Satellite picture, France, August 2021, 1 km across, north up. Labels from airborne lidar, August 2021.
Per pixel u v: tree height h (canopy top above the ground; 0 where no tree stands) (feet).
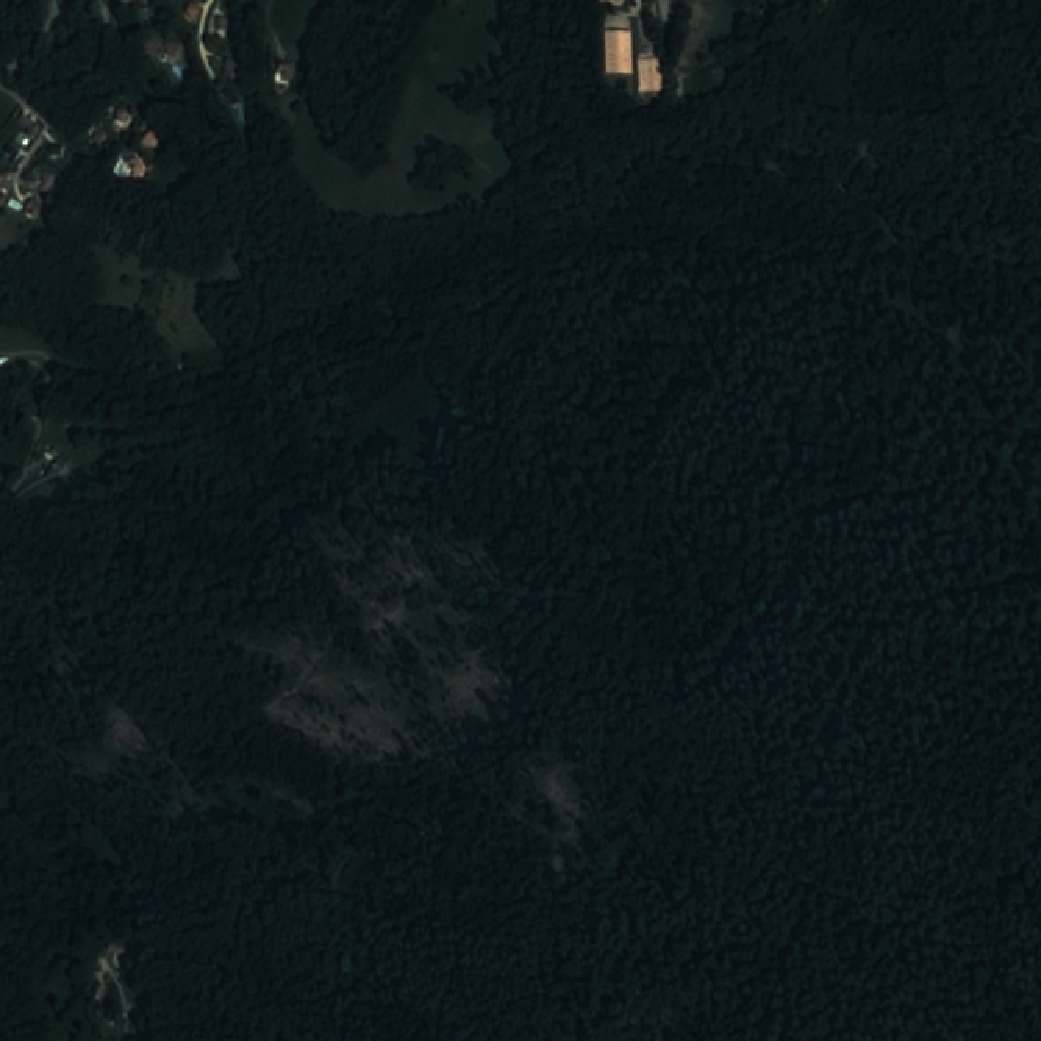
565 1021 99
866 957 107
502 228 99
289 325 46
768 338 73
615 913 63
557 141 88
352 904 94
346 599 66
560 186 94
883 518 31
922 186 52
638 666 99
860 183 73
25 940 89
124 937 26
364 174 0
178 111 68
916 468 66
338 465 96
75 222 77
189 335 0
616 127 68
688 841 108
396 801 64
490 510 92
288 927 92
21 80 62
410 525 101
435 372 70
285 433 93
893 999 111
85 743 89
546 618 101
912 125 44
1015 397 65
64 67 62
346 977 62
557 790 0
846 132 58
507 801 73
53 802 50
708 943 41
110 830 50
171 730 84
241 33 60
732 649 33
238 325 47
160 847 92
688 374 28
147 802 82
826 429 112
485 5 0
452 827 99
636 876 25
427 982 101
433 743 44
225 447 67
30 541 72
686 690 105
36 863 99
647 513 33
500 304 69
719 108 23
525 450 88
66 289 70
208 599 85
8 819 80
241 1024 91
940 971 102
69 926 65
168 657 78
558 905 38
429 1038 29
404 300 84
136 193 82
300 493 95
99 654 73
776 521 66
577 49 98
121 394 59
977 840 78
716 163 69
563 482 89
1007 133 96
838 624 52
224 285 37
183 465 87
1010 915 78
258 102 22
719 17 0
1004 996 49
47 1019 48
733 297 44
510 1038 93
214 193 66
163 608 76
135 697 89
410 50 37
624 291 70
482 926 99
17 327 39
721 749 113
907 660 52
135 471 74
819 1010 101
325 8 57
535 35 78
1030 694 69
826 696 112
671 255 107
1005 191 99
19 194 0
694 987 91
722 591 110
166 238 80
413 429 0
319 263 78
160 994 88
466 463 109
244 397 62
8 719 78
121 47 64
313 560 96
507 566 113
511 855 75
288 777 81
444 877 123
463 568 74
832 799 79
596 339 97
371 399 66
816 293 61
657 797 107
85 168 70
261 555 108
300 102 26
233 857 63
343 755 23
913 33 58
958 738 41
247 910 89
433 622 0
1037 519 23
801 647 111
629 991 76
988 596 42
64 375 76
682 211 52
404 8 57
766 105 66
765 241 100
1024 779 22
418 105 0
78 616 91
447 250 85
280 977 95
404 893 116
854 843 46
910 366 95
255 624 88
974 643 54
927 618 91
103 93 47
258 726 86
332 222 61
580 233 96
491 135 0
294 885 74
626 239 78
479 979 94
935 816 63
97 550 88
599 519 79
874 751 38
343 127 81
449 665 38
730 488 63
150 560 106
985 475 45
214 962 67
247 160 46
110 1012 51
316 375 71
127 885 68
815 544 47
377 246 70
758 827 48
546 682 132
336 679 0
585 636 105
